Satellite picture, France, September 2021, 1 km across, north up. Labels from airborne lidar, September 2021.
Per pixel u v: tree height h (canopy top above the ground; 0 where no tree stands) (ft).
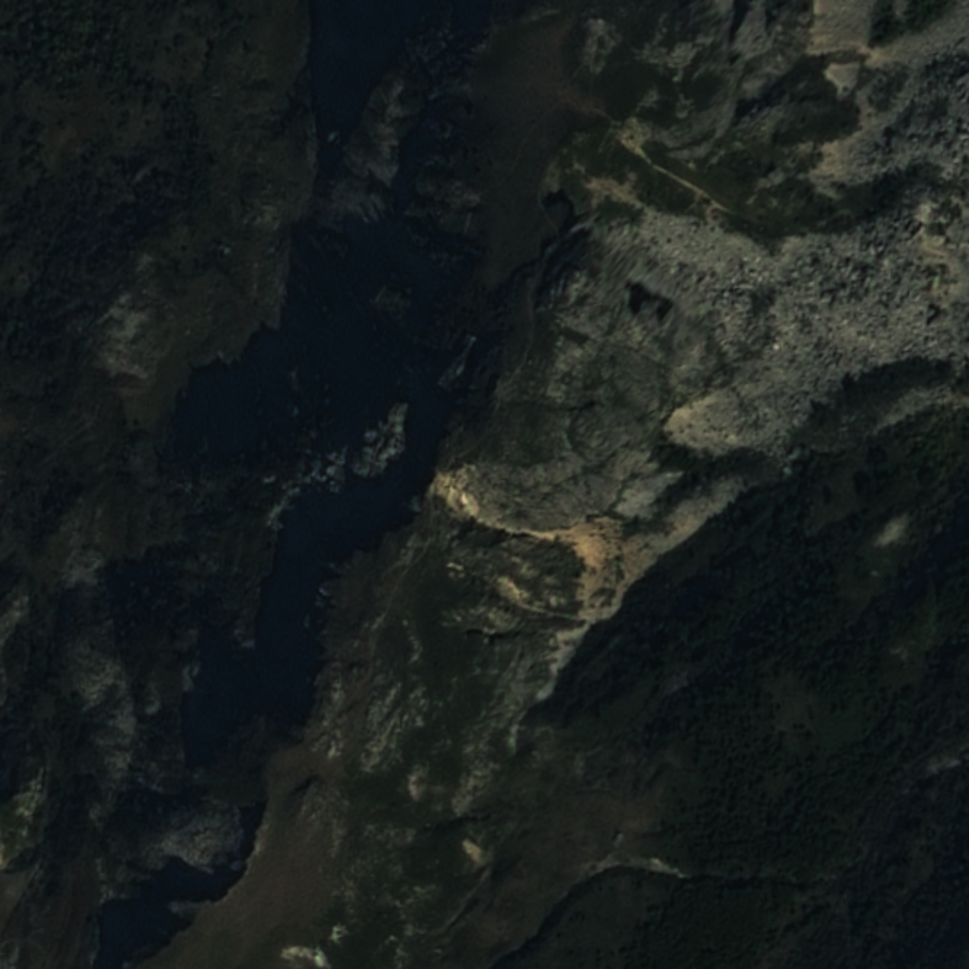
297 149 0
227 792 0
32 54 20
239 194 0
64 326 0
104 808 0
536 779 0
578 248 0
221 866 0
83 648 0
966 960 0
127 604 26
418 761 0
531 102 0
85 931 0
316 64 0
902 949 21
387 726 0
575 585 0
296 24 0
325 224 0
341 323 0
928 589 43
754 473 0
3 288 0
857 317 0
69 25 31
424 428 0
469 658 0
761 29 0
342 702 0
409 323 0
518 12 0
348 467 0
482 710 0
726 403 0
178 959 0
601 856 0
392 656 0
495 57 0
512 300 0
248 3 0
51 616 0
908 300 0
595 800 0
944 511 29
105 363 0
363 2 0
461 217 0
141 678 0
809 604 44
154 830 0
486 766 0
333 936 0
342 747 0
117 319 0
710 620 43
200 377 0
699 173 0
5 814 0
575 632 0
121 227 20
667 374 0
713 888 26
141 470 0
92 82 0
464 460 0
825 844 28
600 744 0
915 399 0
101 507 0
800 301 0
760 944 23
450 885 0
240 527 0
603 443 0
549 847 0
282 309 0
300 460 21
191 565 0
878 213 18
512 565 0
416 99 0
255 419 0
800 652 30
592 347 0
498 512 0
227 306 0
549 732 0
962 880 21
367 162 0
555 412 0
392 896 0
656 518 0
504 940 0
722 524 36
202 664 0
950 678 38
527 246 0
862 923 20
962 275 0
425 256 0
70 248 25
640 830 0
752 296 0
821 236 0
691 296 0
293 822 0
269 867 0
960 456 27
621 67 0
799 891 29
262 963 0
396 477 0
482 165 0
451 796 0
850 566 0
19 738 0
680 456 44
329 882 0
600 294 0
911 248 0
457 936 0
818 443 0
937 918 21
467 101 0
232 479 0
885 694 39
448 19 0
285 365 0
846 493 0
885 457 44
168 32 0
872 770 36
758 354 0
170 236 0
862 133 0
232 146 0
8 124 0
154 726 0
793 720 0
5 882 0
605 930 0
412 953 0
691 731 24
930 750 19
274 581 0
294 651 0
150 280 0
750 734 25
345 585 0
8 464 0
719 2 0
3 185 19
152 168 0
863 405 0
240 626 0
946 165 0
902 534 0
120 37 21
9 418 0
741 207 0
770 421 0
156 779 0
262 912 0
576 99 0
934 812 22
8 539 0
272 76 0
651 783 0
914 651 0
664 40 0
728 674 36
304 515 0
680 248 0
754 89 0
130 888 0
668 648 45
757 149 0
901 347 0
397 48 0
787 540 20
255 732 0
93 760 0
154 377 0
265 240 0
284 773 0
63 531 0
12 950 0
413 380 0
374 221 0
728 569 23
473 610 0
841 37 0
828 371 0
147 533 0
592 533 0
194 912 0
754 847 26
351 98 0
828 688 27
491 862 0
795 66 0
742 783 31
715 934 35
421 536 0
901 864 37
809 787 28
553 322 0
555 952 0
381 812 0
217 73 0
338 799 0
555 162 0
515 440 0
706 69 0
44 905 0
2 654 0
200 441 0
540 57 0
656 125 0
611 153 0
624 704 0
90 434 0
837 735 0
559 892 0
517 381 0
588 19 0
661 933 22
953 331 0
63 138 0
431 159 0
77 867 0
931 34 0
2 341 22
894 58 0
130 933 0
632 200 0
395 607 0
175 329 0
